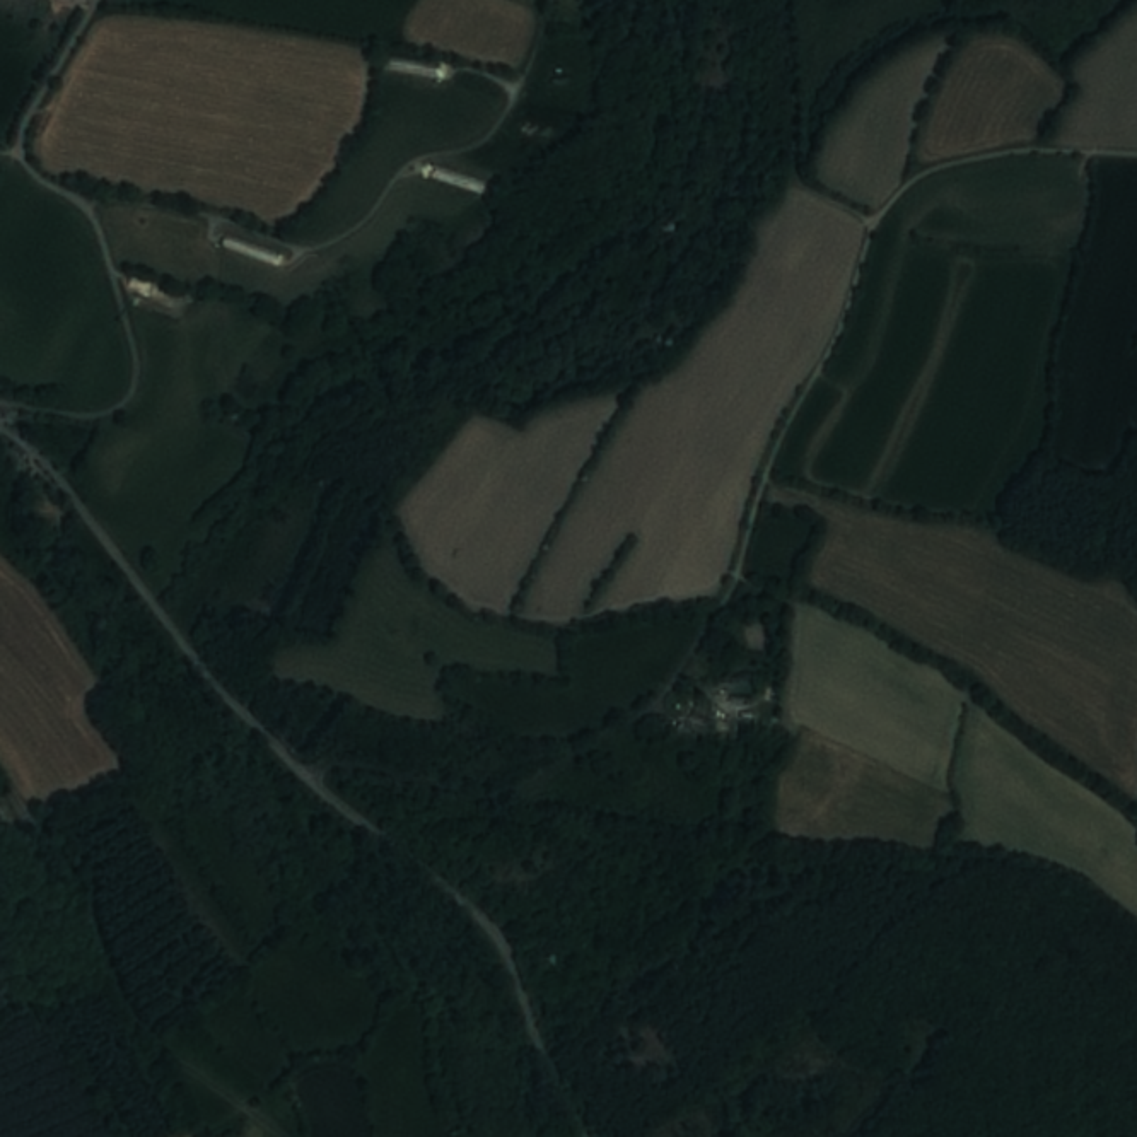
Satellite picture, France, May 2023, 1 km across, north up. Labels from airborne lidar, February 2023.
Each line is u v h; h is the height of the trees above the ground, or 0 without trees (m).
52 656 0
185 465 0
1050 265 0
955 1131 16
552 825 18
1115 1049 17
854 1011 20
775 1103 18
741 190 16
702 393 0
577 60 0
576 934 7
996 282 0
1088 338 0
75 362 0
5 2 0
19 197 0
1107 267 0
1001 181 0
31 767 0
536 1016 6
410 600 0
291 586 9
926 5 0
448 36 0
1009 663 0
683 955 11
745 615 14
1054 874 17
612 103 17
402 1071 0
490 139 0
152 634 8
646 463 0
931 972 21
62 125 0
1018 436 0
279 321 7
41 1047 14
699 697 14
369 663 0
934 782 0
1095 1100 19
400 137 0
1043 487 22
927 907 18
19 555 7
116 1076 19
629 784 0
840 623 17
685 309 12
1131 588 13
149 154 0
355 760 15
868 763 0
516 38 0
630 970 10
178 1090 19
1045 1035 19
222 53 0
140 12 11
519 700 0
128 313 0
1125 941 19
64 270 0
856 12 0
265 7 0
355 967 18
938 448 0
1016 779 0
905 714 0
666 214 7
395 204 0
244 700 19
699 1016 14
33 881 21
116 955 15
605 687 0
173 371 0
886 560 0
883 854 19
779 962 16
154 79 0
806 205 0
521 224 18
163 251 0
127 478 0
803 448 0
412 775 16
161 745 8
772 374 0
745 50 10
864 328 0
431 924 32
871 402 0
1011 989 19
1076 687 0
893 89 0
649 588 0
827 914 17
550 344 9
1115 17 10
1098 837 0
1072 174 0
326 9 0
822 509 0
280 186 0
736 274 20
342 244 0
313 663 0
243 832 10
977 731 0
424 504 0
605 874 10
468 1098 9
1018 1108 18
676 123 14
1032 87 0
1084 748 0
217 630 20
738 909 30
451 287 17
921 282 0
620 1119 16
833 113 9
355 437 6
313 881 12
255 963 9
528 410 12
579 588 0
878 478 0
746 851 16
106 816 14
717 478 0
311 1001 0
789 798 0
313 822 9
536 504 0
